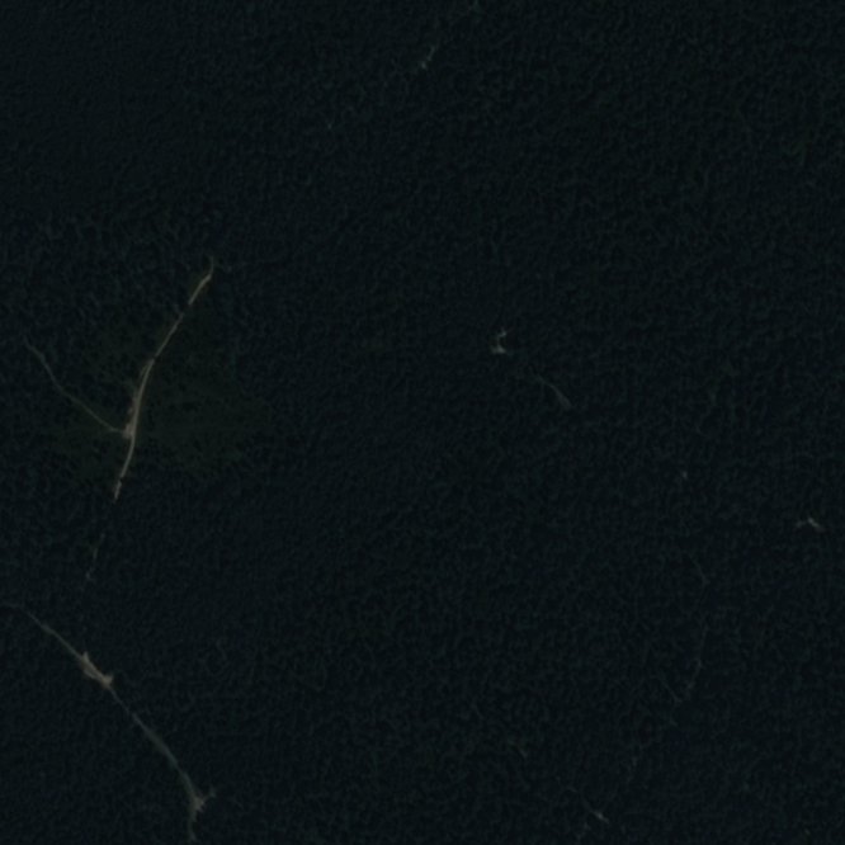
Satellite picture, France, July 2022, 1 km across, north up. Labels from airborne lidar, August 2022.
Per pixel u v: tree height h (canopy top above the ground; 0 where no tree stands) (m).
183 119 15
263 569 22
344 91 35
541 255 19
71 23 15
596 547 33
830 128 18
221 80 15
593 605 39
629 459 32
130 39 14
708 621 7
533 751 15
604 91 19
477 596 24
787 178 21
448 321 12
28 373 15
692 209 36
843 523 15
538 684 15
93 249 20
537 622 33
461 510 21
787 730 20
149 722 26
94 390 17
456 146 24
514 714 28
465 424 23
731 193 25
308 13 23
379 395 22
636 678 34
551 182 20
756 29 24
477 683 30
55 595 20
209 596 23
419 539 18
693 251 26
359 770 26
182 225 32
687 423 32
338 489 19
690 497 22
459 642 17
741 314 6
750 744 20
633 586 27
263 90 17
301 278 23
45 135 15
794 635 6
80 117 14
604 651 24
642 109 20
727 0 27
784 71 33
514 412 23
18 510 34
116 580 15
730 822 37
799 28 22
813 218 18
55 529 31
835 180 17
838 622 33
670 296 19
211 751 22
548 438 35
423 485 13
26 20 14
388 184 27
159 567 8
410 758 27
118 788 24
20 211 19
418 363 19
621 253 26
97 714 14
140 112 15
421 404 18
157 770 22
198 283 0
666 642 38
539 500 7
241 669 28
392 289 19
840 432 15
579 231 18
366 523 20
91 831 20
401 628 20
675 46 17
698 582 29
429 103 20
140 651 17
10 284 32
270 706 16
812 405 27
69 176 13
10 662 15
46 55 15
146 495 13
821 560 36
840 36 26
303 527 23
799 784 13
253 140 28
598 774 30
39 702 21
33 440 14
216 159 16
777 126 27
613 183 27
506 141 20
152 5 15
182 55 16
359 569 20
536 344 22
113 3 18
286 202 24
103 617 18
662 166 9
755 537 22
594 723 39
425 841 17
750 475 25
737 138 25
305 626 24
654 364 23
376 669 12
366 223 19
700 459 20
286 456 7
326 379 15
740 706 25
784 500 23
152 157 15
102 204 15
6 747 29
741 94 17
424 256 19
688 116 18
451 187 16
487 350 20
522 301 21
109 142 15
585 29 24
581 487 21
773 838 17
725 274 23
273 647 25
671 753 31
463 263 20
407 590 14
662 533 23
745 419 24
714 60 21
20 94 16
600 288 23
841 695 19
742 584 22
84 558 22
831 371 24
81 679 29
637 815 32
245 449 11
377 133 16
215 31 26
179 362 7
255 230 25
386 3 23
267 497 19
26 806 25
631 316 17
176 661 22
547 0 15
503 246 18
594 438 34
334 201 27
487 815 29
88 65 14
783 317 22
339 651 13
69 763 28
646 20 19
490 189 15
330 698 21
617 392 22
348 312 15
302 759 26
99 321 39
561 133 21
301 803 7
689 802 11
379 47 27
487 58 25
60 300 6
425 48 29
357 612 22
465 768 19
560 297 8
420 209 16
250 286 21
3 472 21
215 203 11
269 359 22
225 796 18
